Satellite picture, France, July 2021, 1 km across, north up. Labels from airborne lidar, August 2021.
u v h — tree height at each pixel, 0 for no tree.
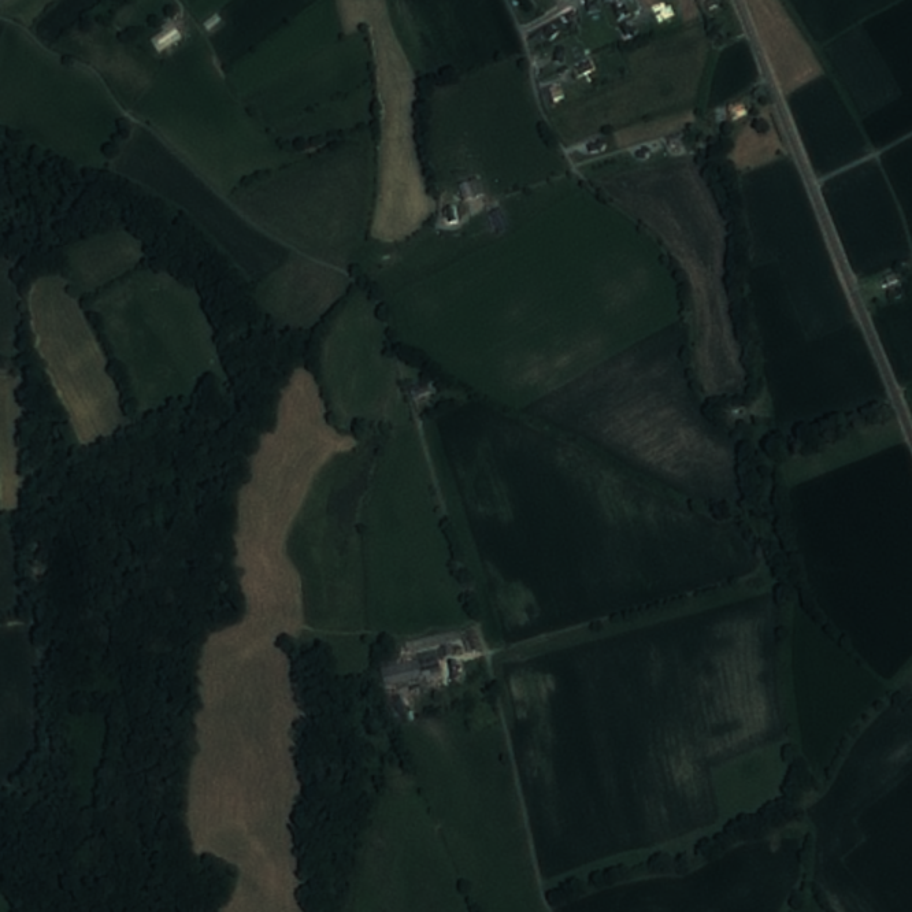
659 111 0
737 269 21
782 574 27
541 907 0
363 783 22
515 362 0
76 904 23
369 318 0
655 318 0
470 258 0
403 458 0
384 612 0
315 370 17
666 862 21
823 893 14
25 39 0
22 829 20
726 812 0
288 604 0
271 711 0
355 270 18
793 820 22
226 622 29
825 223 0
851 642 17
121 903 31
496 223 0
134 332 0
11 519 19
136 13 0
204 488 22
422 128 14
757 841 20
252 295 20
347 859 28
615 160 5
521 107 0
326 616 0
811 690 0
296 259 0
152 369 0
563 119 0
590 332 0
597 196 7
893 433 0
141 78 0
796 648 0
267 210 0
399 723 34
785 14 0
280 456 0
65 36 9
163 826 24
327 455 0
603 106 0
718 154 21
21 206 20
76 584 14
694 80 0
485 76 0
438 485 0
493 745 0
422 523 0
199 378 0
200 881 31
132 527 33
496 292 0
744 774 0
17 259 24
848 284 0
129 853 26
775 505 22
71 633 20
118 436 14
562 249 0
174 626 31
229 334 26
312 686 29
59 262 27
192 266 32
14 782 21
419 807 0
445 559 0
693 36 0
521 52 8
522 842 0
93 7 10
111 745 17
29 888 25
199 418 20
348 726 27
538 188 0
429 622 0
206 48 0
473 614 17
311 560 0
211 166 0
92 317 22
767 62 0
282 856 0
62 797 25
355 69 0
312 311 0
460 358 0
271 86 0
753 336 24
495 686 16
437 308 0
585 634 0
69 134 0
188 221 25
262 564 0
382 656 11
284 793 0
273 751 0
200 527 24
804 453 21
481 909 8
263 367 26
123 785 25
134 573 22
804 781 22
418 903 0
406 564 0
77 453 23
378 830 0
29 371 24
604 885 18
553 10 0
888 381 0
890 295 8
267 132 8
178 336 0
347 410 0
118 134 12
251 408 31
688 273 11
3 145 8
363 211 0
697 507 15
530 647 0
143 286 0
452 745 0
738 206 19
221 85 0
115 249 0
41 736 19
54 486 29
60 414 28
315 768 29
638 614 12
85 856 27
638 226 8
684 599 13
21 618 23
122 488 27
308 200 0
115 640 20
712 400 15
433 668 0
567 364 0
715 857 24
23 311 11
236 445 28
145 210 33
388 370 0
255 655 0
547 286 0
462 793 0
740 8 0
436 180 14
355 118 0
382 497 0
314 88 0
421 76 8
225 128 0
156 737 25
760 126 22
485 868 0
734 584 13
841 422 25
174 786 25
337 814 31
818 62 0
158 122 0
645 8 0
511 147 0
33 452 22
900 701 20
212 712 0
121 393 15
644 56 0
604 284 0
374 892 0
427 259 0
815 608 19
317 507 0
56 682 24
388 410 0
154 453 26
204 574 29
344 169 0
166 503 31
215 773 0
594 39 0
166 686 28
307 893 21
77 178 22
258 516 0
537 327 0
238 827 0
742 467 17
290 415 0
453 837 0
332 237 0
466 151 0
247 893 0
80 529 30
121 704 16
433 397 9
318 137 7
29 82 0
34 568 19
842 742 8
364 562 0
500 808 0
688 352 15
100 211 33
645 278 0
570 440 6
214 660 0
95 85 0
